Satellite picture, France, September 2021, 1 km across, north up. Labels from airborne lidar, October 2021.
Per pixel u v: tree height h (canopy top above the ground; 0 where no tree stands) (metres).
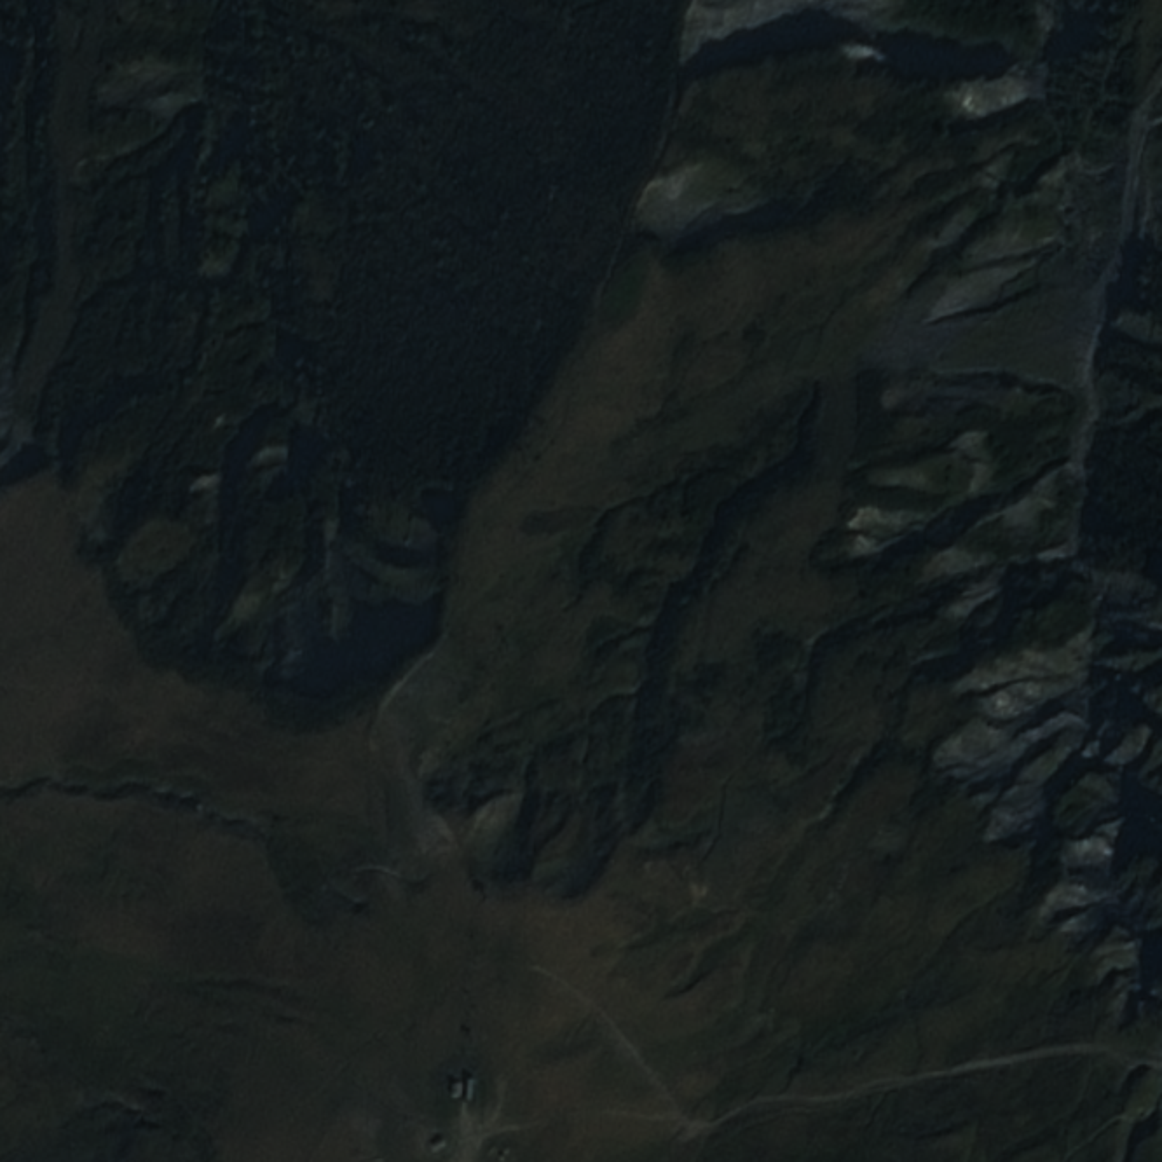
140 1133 0
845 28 0
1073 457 0
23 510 0
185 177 11
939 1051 0
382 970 0
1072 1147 0
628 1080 0
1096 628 0
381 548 0
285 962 0
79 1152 0
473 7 0
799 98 0
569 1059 0
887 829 0
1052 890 0
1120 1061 0
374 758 0
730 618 0
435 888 0
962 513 0
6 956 0
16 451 0
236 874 0
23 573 0
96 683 0
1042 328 0
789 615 0
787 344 0
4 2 6
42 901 0
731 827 0
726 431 0
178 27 6
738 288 0
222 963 0
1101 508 6
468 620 0
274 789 0
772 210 0
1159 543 6
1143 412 0
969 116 0
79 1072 0
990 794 0
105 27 0
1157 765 0
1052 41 0
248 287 5
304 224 0
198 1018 0
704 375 0
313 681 0
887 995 0
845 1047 0
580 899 0
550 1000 0
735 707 0
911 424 0
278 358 0
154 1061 0
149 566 0
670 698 0
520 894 0
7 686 0
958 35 0
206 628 0
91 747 0
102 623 0
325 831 0
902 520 0
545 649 0
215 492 0
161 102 0
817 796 0
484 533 0
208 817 0
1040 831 0
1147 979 0
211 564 0
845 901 0
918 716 0
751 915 0
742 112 0
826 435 0
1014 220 0
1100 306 0
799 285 0
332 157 6
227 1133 0
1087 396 0
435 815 0
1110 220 0
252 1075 0
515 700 0
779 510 0
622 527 0
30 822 0
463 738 0
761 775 0
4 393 0
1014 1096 0
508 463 0
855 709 0
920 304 0
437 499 0
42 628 0
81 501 0
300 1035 0
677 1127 0
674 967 0
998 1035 0
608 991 0
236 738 0
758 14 0
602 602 0
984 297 0
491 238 6
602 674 0
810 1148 0
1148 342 0
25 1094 0
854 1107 0
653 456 0
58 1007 0
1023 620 7
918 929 0
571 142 0
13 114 6
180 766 0
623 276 0
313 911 0
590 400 0
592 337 0
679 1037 0
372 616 0
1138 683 0
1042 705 0
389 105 6
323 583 0
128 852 0
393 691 0
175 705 0
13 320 5
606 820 0
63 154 0
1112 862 0
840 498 0
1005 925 0
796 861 0
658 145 0
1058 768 0
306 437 0
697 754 0
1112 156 0
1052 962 0
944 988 0
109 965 0
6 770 0
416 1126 0
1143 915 0
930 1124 0
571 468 0
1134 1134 0
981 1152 0
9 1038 0
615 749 0
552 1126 0
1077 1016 0
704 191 0
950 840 0
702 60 0
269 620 0
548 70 0
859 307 0
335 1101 0
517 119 0
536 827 0
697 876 0
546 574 0
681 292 0
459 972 0
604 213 0
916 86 8
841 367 0
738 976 0
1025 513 0
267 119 7
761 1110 0
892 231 0
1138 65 0
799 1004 0
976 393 0
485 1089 0
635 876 0
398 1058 0
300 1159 0
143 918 0
